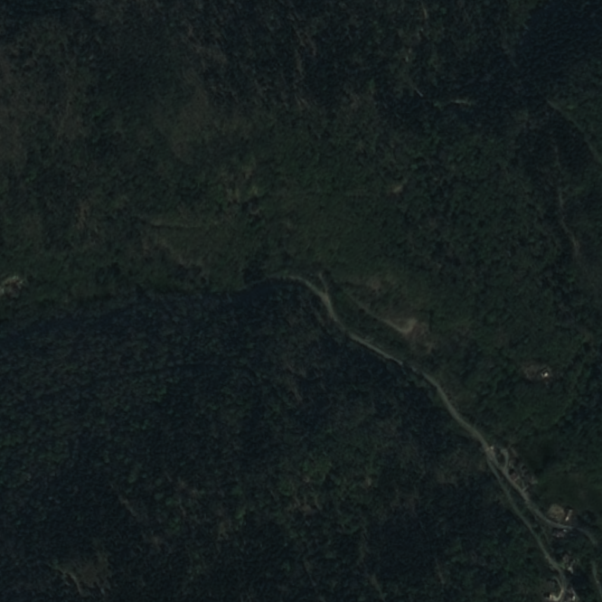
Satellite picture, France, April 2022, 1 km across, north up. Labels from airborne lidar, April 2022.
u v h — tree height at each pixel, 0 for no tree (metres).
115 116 26
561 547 18
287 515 30
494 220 25
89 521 28
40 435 26
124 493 7
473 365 23
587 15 7
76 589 28
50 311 22
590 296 25
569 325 27
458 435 19
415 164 26
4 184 25
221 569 26
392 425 21
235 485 27
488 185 24
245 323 33
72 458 32
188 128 19
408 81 23
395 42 22
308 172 19
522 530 19
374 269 14
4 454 24
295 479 28
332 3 30
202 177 21
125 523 30
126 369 27
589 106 21
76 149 27
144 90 20
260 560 34
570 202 21
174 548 27
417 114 29
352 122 21
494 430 7
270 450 30
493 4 33
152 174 17
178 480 26
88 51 27
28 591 6
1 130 17
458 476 15
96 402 31
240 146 22
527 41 24
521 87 33
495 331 30
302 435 22
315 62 30
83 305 22
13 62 18
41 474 27
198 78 20
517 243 22
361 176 20
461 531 13
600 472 29
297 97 27
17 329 19
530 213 27
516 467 8
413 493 24
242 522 30
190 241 8
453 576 29
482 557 30
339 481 28
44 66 20
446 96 27
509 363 13
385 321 0
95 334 35
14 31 21
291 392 27
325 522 27
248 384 27
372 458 22
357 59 28
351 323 18
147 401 27
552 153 27
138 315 28
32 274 22
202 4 22
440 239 26
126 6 20
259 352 23
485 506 27
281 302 35
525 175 28
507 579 26
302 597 34
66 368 32
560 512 0
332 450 26
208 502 25
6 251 15
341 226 21
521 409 26
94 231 20
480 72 35
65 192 21
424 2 24
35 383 34
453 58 28
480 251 25
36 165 27
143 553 31
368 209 20
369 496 25
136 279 28
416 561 22
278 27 31
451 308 17
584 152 27
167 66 17
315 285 13
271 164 21
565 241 26
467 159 22
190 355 28
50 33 15
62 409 31
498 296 27
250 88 28
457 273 26
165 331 35
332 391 30
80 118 22
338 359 35
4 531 26
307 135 23
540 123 29
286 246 23
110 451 28
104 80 33
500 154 22
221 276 19
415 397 31
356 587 30
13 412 29
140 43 21
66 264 18
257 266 31
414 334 0
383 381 34
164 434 29
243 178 29
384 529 25
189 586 29
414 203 25
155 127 14
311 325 24
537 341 24
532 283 29
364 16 25
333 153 19
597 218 21
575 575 13
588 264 24
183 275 26
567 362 24
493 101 33
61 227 22
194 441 27
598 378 33
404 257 20
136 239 27
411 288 17
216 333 30
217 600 29
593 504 0
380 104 27
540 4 7
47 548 23
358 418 19
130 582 29
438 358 20
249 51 37
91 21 27
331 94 25
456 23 27
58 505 28
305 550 23
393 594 27
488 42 35
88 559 26
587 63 16
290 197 16
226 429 28
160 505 29
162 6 23
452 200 27
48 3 25
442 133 29
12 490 28
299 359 16
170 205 20
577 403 31
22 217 24
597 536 24
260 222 24
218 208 23
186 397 28
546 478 6
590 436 19
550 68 27
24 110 17
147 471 26
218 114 18
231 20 19
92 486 29
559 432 27
